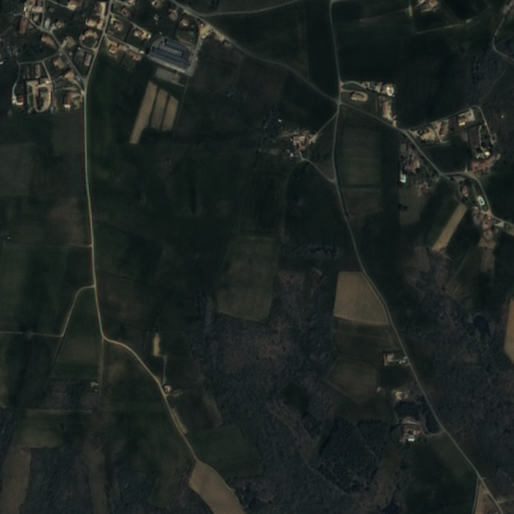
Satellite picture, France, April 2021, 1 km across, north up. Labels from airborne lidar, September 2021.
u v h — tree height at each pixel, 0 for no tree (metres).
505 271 0
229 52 0
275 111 9
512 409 19
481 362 10
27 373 0
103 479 0
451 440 0
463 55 0
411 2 0
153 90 0
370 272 0
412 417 11
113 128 0
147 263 0
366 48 0
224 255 0
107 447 0
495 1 0
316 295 0
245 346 5
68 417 0
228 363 9
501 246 0
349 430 12
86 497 0
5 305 0
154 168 0
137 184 0
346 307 0
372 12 0
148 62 0
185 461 0
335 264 0
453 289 0
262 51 0
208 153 0
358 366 0
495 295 0
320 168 0
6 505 0
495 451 12
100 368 0
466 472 0
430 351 0
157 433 0
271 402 9
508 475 6
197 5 0
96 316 0
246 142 0
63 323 0
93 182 0
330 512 20
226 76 0
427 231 0
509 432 15
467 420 6
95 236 0
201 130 0
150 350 0
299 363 15
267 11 0
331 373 0
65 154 0
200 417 0
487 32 0
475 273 0
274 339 7
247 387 18
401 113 0
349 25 0
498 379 14
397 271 0
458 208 0
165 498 0
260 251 0
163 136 0
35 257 0
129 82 0
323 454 11
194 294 0
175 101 0
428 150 0
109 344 0
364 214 0
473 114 0
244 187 0
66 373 0
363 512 8
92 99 0
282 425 6
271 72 0
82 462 0
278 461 11
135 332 0
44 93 0
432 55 0
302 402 0
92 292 0
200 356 0
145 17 0
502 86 0
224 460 0
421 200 0
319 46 0
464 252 0
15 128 0
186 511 10
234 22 0
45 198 0
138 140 0
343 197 0
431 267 0
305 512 10
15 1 0
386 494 0
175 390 0
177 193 0
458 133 0
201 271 0
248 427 10
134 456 0
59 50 0
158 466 0
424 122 0
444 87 0
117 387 0
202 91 0
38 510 10
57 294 0
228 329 12
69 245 0
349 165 0
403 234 0
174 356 0
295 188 0
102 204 0
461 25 0
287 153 7
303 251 6
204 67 0
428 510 0
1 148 0
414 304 0
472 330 10
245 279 0
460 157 0
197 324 6
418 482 0
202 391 0
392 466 0
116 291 0
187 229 0
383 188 0
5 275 0
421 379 0
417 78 0
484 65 6
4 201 0
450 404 7
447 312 8
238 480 10
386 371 0
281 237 0
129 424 0
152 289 0
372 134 0
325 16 0
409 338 0
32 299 0
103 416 0
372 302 0
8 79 0
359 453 14
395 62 0
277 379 24
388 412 0
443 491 0
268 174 0
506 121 0
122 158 0
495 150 8
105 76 0
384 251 0
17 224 0
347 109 0
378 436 14
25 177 0
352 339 0
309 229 0
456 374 10
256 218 0
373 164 0
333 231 0
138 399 0
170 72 0
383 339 0
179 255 0
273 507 9
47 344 0
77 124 0
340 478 11
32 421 0
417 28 0
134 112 0
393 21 0
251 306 0
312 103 0
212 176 0
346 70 0
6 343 0
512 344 0
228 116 0
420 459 0
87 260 0
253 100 0
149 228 0
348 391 0
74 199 0
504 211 0
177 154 0
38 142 0
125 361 0
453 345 7
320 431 11
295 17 0
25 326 0
